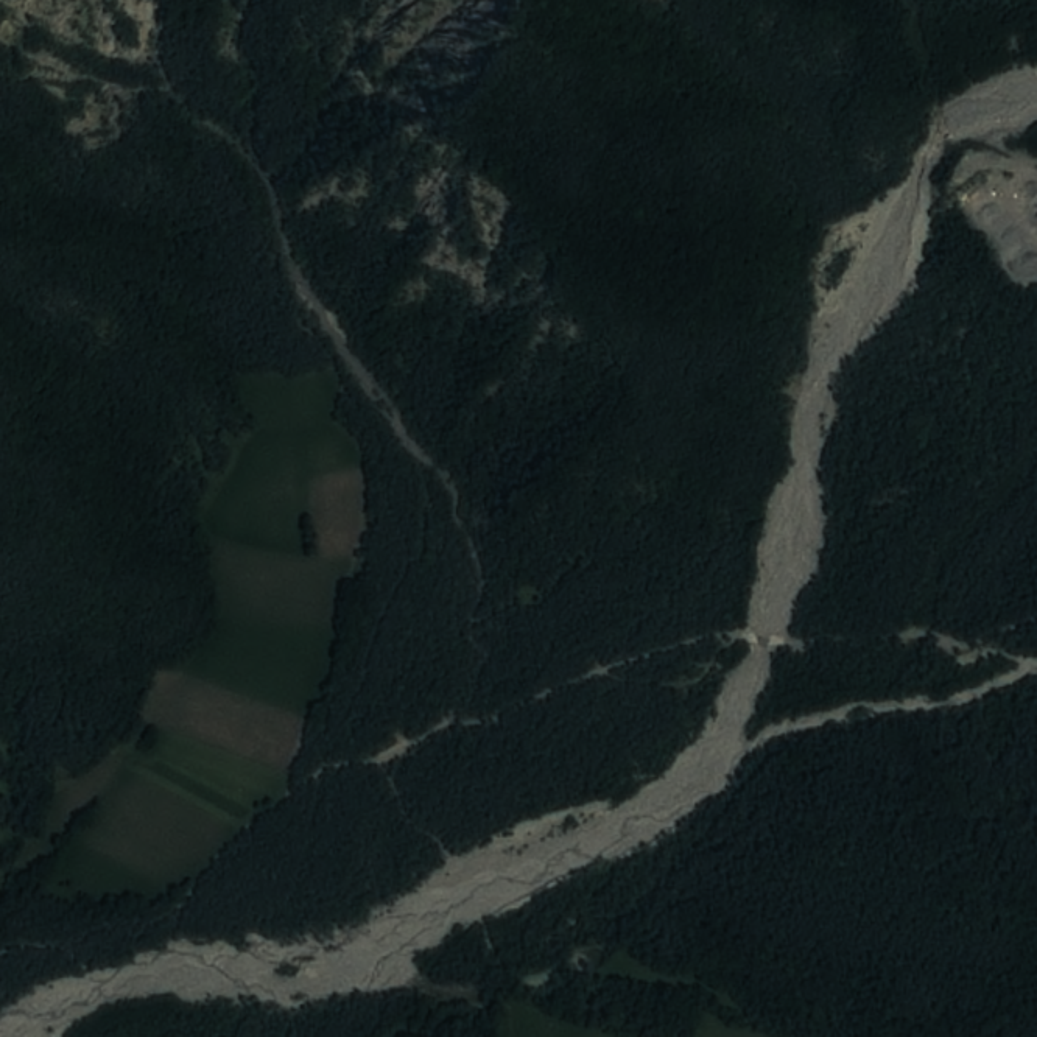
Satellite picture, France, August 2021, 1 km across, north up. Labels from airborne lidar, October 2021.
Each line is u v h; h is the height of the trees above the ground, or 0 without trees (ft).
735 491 53
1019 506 44
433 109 49
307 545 38
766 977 43
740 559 33
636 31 43
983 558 41
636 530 53
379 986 0
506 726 36
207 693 0
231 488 0
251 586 0
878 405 35
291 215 30
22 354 41
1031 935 58
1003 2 35
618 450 37
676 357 52
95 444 65
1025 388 32
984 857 45
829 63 30
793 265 51
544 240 47
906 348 35
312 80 54
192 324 86
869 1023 48
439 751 47
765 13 21
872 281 0
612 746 33
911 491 30
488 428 63
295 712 0
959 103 0
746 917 56
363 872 31
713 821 39
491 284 33
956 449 41
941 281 40
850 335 0
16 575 38
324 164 55
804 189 45
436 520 31
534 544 34
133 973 0
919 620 23
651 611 31
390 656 42
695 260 81
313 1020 43
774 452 52
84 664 56
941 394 40
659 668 31
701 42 35
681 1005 85
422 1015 52
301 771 33
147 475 81
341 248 49
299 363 40
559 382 46
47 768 74
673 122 77
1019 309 37
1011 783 48
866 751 51
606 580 41
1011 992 48
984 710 29
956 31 30
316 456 0
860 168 22
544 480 83
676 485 38
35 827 64
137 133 59
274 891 33
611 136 66
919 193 0
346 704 35
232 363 70
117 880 0
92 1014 19
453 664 38
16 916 49
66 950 31
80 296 55
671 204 83
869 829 54
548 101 52
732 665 20
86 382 46
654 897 51
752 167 52
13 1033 0
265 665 0
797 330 51
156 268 46
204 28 57
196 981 0
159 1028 27
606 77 44
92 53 43
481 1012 46
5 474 50
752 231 51
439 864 31
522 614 46
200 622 63
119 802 0
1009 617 53
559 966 30
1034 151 24
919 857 57
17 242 56
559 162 70
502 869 0
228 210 53
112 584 57
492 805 39
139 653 52
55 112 49
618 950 47
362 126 54
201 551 54
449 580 38
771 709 26
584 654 35
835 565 38
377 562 23
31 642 37
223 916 35
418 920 0
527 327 34
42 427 70
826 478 36
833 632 31
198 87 61
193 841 0
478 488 25
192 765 0
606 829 0
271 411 0
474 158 31
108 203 58
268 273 45
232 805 0
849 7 67
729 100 71
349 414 46
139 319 42
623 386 64
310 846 28
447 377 53
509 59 37
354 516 0
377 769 38
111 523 68
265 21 50
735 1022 42
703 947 66
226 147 36
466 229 41
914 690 24
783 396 32
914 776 70
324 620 0
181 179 62
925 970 66
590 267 72
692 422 56
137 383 48
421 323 51
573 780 34
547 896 45
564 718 32
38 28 46
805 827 68
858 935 53
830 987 58
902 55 83
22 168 55
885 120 32
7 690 52
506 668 47
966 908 63
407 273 37
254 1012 29
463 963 35
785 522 0
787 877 55
